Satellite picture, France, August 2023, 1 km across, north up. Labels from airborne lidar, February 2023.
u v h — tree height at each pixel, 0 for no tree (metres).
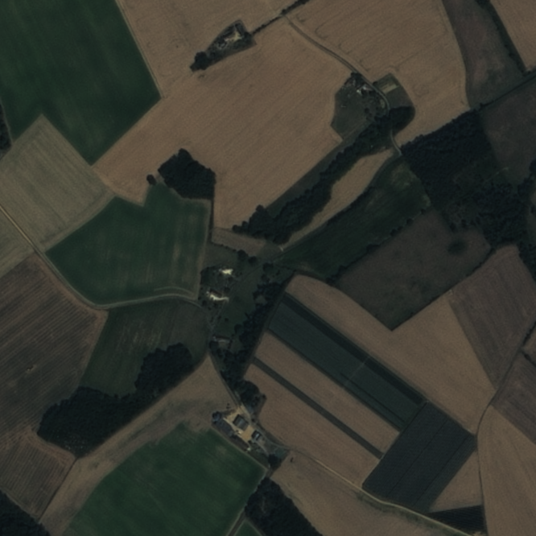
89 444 11
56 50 0
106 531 0
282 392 0
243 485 0
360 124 0
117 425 13
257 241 0
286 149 0
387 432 0
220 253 0
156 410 0
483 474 0
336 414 0
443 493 0
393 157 0
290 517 12
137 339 0
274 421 0
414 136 0
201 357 0
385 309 0
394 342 0
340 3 0
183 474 0
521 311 0
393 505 0
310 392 0
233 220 0
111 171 0
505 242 16
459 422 0
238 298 0
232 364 6
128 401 12
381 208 0
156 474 0
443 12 0
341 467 0
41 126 0
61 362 0
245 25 0
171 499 0
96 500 0
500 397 0
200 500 0
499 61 0
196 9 0
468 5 0
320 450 0
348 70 0
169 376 19
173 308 0
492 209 18
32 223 0
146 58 0
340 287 0
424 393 0
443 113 0
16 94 0
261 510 17
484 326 0
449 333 0
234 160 0
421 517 0
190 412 0
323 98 0
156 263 0
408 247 0
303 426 0
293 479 0
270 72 0
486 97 0
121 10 0
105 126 0
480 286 0
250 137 0
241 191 0
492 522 0
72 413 16
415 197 0
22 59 0
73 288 0
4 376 0
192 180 16
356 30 0
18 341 0
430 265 0
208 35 0
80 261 0
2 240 0
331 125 0
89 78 0
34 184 0
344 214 10
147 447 0
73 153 0
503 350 0
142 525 0
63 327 0
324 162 0
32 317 0
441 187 19
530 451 0
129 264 0
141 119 0
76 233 0
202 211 0
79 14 0
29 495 0
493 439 0
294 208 17
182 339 0
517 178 0
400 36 0
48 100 0
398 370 0
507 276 0
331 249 0
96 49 0
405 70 0
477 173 0
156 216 0
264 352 0
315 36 0
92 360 0
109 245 0
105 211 0
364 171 0
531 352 0
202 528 0
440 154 23
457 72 0
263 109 0
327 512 0
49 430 14
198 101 0
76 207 0
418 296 0
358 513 0
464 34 0
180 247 0
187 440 0
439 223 0
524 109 0
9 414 0
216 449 0
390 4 0
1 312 0
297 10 0
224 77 0
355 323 0
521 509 0
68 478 0
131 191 0
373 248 10
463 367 0
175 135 0
